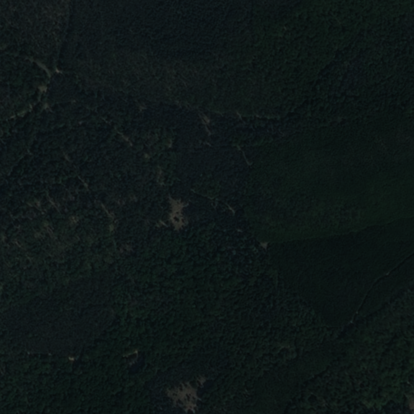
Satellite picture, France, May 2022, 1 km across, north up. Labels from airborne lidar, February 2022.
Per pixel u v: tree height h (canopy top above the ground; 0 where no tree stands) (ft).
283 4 69
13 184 110
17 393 87
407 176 0
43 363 88
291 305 74
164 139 88
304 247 41
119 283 82
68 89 95
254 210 49
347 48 81
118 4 50
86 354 94
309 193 43
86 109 94
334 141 52
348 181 0
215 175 68
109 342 107
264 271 90
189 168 70
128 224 94
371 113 63
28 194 106
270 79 87
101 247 75
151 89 90
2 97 83
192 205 59
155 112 98
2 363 67
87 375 84
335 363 79
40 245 82
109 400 91
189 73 73
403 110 53
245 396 83
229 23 74
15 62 67
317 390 107
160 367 82
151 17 58
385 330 107
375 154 0
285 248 40
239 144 67
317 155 0
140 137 41
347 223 46
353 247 39
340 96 87
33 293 82
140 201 97
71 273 85
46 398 97
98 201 104
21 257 87
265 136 77
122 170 103
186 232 52
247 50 56
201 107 87
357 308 22
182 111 84
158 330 104
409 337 108
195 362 75
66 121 86
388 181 0
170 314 77
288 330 65
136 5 57
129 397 90
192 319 74
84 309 82
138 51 85
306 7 91
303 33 94
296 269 36
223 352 77
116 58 85
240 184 78
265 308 91
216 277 87
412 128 0
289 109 72
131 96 97
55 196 102
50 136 107
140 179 96
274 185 40
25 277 76
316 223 47
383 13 90
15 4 73
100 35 92
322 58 88
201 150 66
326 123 74
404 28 73
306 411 103
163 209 92
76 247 83
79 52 82
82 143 99
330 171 0
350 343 73
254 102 84
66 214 87
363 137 0
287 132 67
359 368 80
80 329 70
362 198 0
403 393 96
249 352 78
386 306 64
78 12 84
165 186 100
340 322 30
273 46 80
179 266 74
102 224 54
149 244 89
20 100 85
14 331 65
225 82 81
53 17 62
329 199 40
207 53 70
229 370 87
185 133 81
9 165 91
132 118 96
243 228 83
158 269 90
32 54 88
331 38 94
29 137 79
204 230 84
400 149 0
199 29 77
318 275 32
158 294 94
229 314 87
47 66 28
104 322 73
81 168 108
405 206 0
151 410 62
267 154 38
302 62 82
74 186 24
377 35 92
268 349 78
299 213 31
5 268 91
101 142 100
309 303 49
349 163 0
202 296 86
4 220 83
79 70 89
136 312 81
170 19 64
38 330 69
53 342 77
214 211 65
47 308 76
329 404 116
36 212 85
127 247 93
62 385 94
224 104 90
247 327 82
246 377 80
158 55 75
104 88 85
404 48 74
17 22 81
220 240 82
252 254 103
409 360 112
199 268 87
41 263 81
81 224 76
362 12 92
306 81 93
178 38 66
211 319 71
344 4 83
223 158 70
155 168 85
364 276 34
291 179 0
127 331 87
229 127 90
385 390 107
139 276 89
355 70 65
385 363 84
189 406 0
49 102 75
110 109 102
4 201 103
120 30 63
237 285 86
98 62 90
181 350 86
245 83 79
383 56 70
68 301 57
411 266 29
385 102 79
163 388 69
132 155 96
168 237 73
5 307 70
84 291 70
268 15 73
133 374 81
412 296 70
